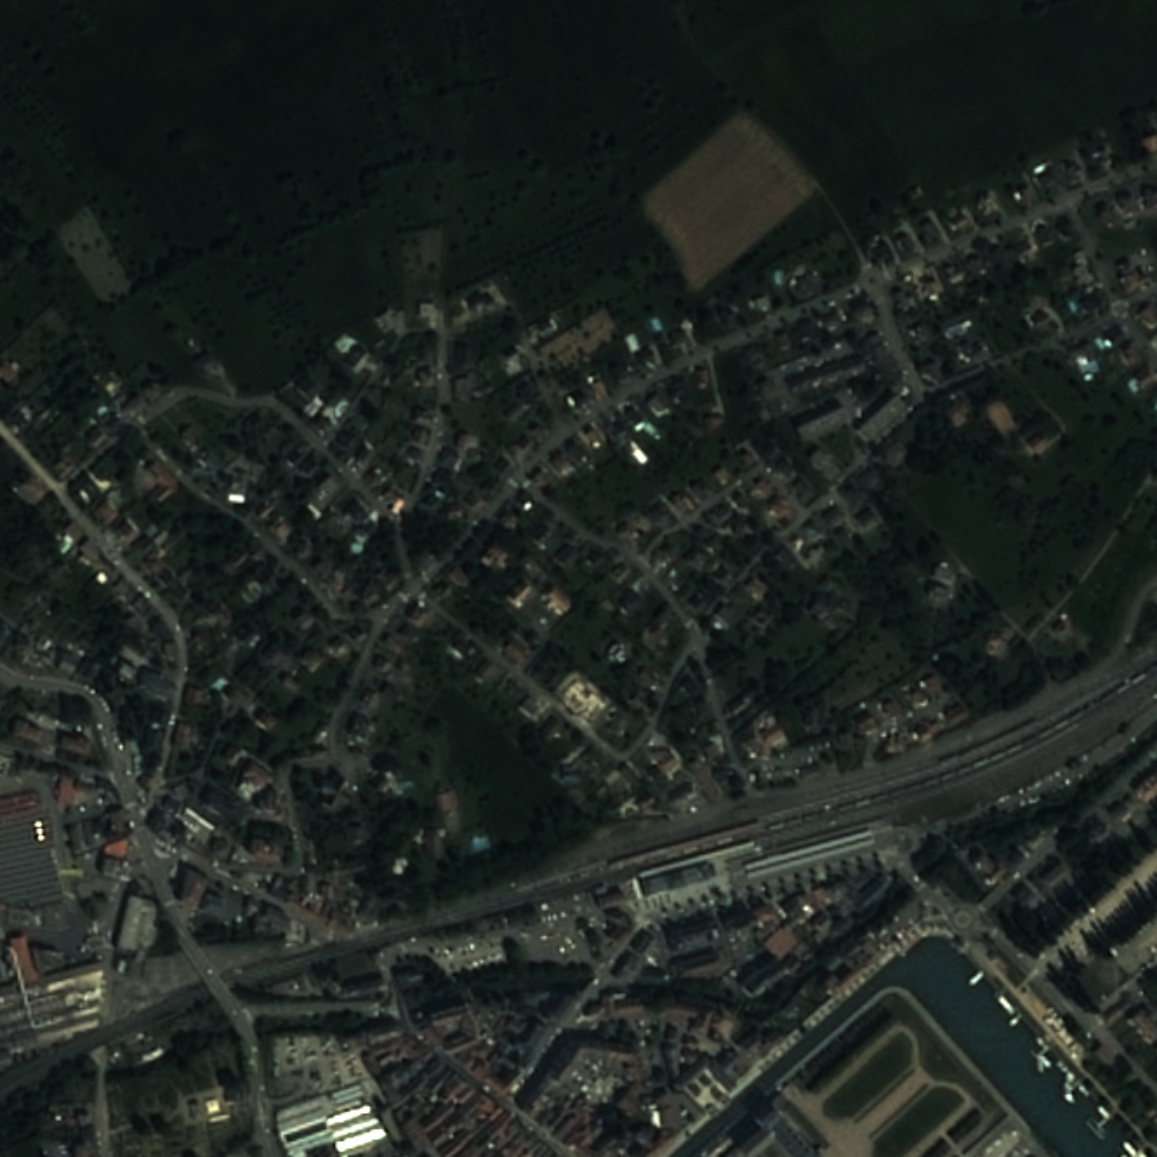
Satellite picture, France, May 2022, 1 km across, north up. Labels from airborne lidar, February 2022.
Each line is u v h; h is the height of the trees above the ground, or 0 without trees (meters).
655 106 9
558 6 0
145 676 0
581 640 0
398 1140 0
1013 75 0
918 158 0
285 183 12
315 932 0
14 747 0
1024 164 9
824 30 0
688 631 0
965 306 7
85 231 0
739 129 0
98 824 7
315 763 0
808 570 0
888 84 0
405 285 0
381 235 0
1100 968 0
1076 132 0
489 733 0
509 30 0
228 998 0
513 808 0
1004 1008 0
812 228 0
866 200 0
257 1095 0
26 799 0
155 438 9
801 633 0
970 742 0
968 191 0
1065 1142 0
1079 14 0
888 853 0
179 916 0
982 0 0
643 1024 0
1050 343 0
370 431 0
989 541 0
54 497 10
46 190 0
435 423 0
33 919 0
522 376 5
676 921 0
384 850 15
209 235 0
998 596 0
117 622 14
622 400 0
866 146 0
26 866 0
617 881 0
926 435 15
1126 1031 0
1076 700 0
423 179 0
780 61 0
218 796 0
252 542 6
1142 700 0
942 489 0
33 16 0
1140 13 0
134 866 0
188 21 0
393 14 0
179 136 14
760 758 0
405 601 0
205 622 0
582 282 0
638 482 0
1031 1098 0
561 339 0
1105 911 0
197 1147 0
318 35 0
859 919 12
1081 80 0
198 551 11
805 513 0
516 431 0
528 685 0
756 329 0
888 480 12
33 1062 0
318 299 0
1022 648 11
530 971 11
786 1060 0
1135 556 0
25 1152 0
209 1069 0
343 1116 0
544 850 15
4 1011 0
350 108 0
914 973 0
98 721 0
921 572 0
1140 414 6
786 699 8
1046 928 31
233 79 0
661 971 0
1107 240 0
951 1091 0
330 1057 0
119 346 0
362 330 0
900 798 0
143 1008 0
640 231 0
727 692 0
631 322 0
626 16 0
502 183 0
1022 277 9
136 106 0
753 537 11
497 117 0
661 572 0
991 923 0
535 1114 0
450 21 6
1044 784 0
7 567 11
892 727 0
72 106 0
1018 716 0
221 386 0
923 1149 0
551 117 0
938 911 0
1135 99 0
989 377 10
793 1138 0
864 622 7
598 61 0
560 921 0
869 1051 0
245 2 0
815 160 0
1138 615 0
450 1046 0
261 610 12
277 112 0
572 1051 0
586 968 9
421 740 0
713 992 7
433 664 11
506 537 20
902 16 0
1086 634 0
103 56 0
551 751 0
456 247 8
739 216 0
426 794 0
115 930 0
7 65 9
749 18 0
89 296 0
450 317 0
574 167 0
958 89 0
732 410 0
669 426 0
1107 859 16
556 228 0
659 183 0
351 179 0
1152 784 0
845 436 0
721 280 0
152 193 0
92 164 0
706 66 0
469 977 12
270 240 0
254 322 0
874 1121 0
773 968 0
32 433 0
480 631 8
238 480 0
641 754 0
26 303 0
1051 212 0
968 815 0
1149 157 15
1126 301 0
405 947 0
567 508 0
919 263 0
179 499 10
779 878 0
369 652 0
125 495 7
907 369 0
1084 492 6
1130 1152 0
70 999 0
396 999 0
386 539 11
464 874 20
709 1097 0
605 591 0
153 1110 0
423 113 0
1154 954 0
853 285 0
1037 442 0
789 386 0
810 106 0
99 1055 0
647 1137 0
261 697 7
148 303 0
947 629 0
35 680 0
